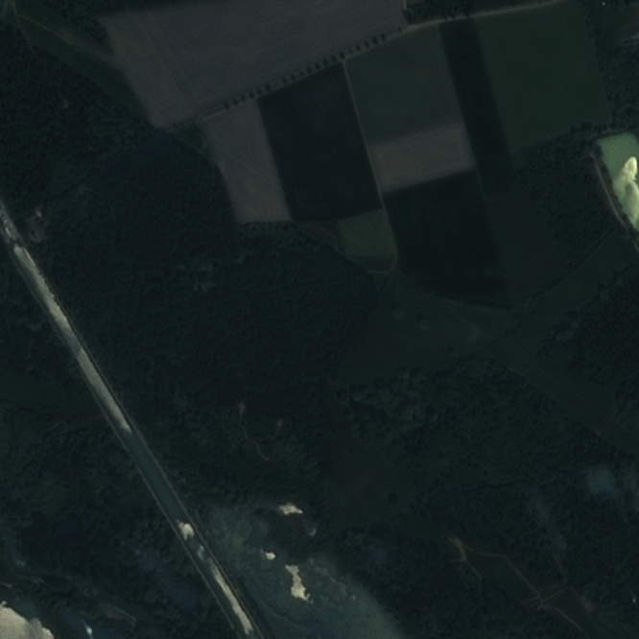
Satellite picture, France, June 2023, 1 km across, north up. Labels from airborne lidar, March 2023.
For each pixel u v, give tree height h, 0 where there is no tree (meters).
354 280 33
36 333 7
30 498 10
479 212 0
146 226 34
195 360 30
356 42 0
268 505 0
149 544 9
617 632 0
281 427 0
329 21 0
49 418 10
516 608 28
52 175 6
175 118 0
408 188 0
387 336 0
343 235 0
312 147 0
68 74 9
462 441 9
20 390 0
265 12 0
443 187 0
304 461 11
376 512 0
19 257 0
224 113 0
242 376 33
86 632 0
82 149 7
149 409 32
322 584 0
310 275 34
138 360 31
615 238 0
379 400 14
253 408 28
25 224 23
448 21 0
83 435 9
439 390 10
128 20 0
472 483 6
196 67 0
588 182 8
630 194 0
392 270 0
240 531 0
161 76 0
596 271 0
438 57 0
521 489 6
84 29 21
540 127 0
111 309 32
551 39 0
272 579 0
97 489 6
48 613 0
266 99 0
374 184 0
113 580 29
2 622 0
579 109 0
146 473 0
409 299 0
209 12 0
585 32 0
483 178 0
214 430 30
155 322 30
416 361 0
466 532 31
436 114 0
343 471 0
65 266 22
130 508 0
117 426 0
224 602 0
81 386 23
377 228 0
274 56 0
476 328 0
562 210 0
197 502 7
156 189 32
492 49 0
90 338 6
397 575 18
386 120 0
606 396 0
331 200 0
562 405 0
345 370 0
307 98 0
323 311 33
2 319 30
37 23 0
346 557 9
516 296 0
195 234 34
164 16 0
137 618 0
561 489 18
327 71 0
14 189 15
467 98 0
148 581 18
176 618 23
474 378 12
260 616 0
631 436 0
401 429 7
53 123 9
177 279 27
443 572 35
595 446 7
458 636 10
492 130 0
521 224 0
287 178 0
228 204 34
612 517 22
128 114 23
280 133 0
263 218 0
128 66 0
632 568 9
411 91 0
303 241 6
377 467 0
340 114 0
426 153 0
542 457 7
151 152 38
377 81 0
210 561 0
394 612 8
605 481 0
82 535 33
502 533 10
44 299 0
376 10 0
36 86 11
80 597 13
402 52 0
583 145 19
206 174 32
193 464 6
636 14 0
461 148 0
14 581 0
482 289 0
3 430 7
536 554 13
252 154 0
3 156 6
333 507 0
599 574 27
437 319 0
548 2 0
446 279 0
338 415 0
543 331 0
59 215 16
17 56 10
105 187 33
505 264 7
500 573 0
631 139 0
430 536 0
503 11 0
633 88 9
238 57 0
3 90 7
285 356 32
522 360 0
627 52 8
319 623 0
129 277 29
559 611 0
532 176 6
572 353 8
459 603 33
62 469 26
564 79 0
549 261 0
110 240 31
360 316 34
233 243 34
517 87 0
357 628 0
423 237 0
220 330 33
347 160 0
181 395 22
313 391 30
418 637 7
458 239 0
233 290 30
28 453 8
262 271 34
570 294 0
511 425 12
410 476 0
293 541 7
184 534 0
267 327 37
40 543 14
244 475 0
